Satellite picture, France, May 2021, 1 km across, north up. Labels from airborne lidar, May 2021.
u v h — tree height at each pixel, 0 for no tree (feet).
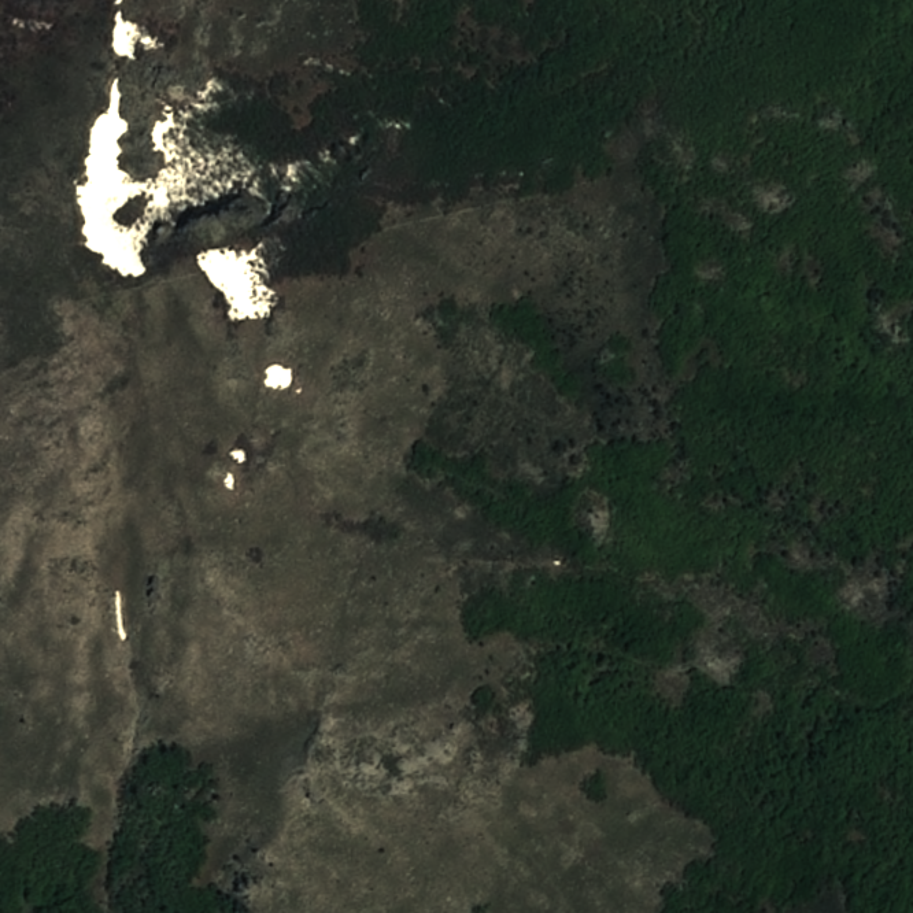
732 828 34
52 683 0
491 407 0
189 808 32
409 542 0
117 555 0
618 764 0
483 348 0
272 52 0
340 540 0
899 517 45
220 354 0
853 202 34
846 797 41
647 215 0
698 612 31
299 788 0
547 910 0
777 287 40
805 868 42
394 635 0
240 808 0
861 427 44
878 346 48
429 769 0
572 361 0
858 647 41
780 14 54
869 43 52
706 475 23
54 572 0
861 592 0
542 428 0
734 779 54
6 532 0
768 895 34
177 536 0
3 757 0
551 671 46
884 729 43
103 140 0
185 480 0
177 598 0
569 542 52
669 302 46
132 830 18
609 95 33
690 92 31
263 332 0
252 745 0
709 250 37
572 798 0
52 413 0
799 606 25
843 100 49
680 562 33
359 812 0
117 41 0
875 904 28
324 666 0
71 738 0
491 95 43
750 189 30
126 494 0
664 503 28
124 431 0
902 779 29
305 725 0
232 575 0
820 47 57
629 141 0
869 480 24
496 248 0
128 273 0
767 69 35
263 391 0
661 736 50
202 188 25
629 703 45
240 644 0
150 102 0
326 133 40
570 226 0
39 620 0
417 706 0
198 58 0
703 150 33
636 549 31
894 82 48
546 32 23
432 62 26
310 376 0
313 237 49
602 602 37
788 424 81
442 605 0
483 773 0
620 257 0
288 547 0
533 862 0
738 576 24
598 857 0
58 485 0
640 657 46
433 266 0
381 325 0
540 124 31
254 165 28
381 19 25
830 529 28
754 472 53
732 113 38
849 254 41
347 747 0
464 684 0
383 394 0
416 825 0
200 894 41
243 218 0
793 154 35
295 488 0
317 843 0
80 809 19
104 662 0
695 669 37
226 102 37
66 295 0
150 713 0
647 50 30
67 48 0
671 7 25
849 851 59
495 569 0
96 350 0
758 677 62
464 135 41
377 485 0
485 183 21
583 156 19
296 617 0
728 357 47
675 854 0
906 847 57
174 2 0
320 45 0
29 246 0
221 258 0
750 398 53
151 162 0
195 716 0
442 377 0
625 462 69
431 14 44
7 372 0
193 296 0
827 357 77
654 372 0
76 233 0
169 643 0
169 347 0
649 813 0
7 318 0
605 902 0
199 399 0
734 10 40
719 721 45
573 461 41
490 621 36
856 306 68
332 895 0
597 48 30
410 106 43
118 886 40
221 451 0
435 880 0
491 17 31
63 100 0
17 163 0
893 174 50
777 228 48
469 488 28
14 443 0
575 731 32
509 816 0
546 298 0
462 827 0
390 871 0
